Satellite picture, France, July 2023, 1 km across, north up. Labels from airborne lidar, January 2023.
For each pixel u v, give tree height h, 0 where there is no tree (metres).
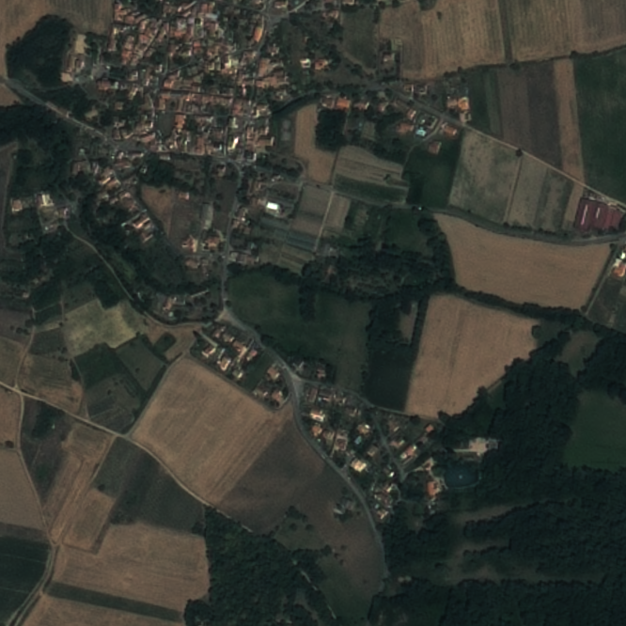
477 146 0
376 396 0
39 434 8
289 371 0
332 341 0
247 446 0
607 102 0
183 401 0
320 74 0
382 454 7
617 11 0
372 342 13
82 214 6
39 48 10
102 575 0
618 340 19
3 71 0
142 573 0
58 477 0
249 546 16
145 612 0
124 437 0
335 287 9
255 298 0
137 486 0
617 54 0
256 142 0
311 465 0
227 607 17
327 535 0
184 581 0
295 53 0
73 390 0
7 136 15
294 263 0
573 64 0
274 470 0
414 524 0
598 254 0
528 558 16
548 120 0
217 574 19
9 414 0
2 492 0
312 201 0
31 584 0
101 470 0
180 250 0
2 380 0
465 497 0
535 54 0
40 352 0
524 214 0
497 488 19
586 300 0
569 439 18
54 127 18
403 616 0
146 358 0
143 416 0
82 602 0
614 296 0
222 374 0
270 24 0
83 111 8
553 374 23
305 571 17
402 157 9
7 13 0
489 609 32
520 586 19
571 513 16
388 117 11
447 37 0
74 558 0
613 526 22
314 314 26
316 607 20
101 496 0
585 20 0
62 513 0
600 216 0
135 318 0
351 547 0
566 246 0
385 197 0
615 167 0
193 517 0
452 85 0
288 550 13
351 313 0
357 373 0
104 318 0
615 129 0
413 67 0
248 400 0
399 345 12
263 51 10
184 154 10
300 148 0
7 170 0
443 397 0
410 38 0
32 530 0
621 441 0
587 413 0
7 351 0
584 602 24
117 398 0
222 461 0
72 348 0
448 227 0
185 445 0
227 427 0
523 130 0
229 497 0
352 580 0
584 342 0
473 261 0
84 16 0
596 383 18
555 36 0
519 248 0
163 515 0
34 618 0
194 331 0
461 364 0
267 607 21
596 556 27
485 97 0
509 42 0
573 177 0
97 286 8
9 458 0
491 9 0
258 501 0
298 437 0
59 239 16
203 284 9
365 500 0
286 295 0
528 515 18
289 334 0
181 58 6
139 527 0
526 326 0
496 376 0
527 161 0
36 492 0
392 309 14
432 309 0
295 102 12
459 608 22
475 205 0
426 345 0
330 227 0
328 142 9
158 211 0
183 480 0
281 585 13
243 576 13
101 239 14
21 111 16
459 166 0
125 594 0
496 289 0
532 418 24
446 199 0
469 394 0
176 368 0
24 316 0
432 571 0
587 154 0
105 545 0
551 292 0
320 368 0
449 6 0
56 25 6
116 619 0
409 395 0
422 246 0
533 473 27
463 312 0
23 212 8
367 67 0
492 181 0
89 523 0
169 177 16
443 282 16
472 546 0
